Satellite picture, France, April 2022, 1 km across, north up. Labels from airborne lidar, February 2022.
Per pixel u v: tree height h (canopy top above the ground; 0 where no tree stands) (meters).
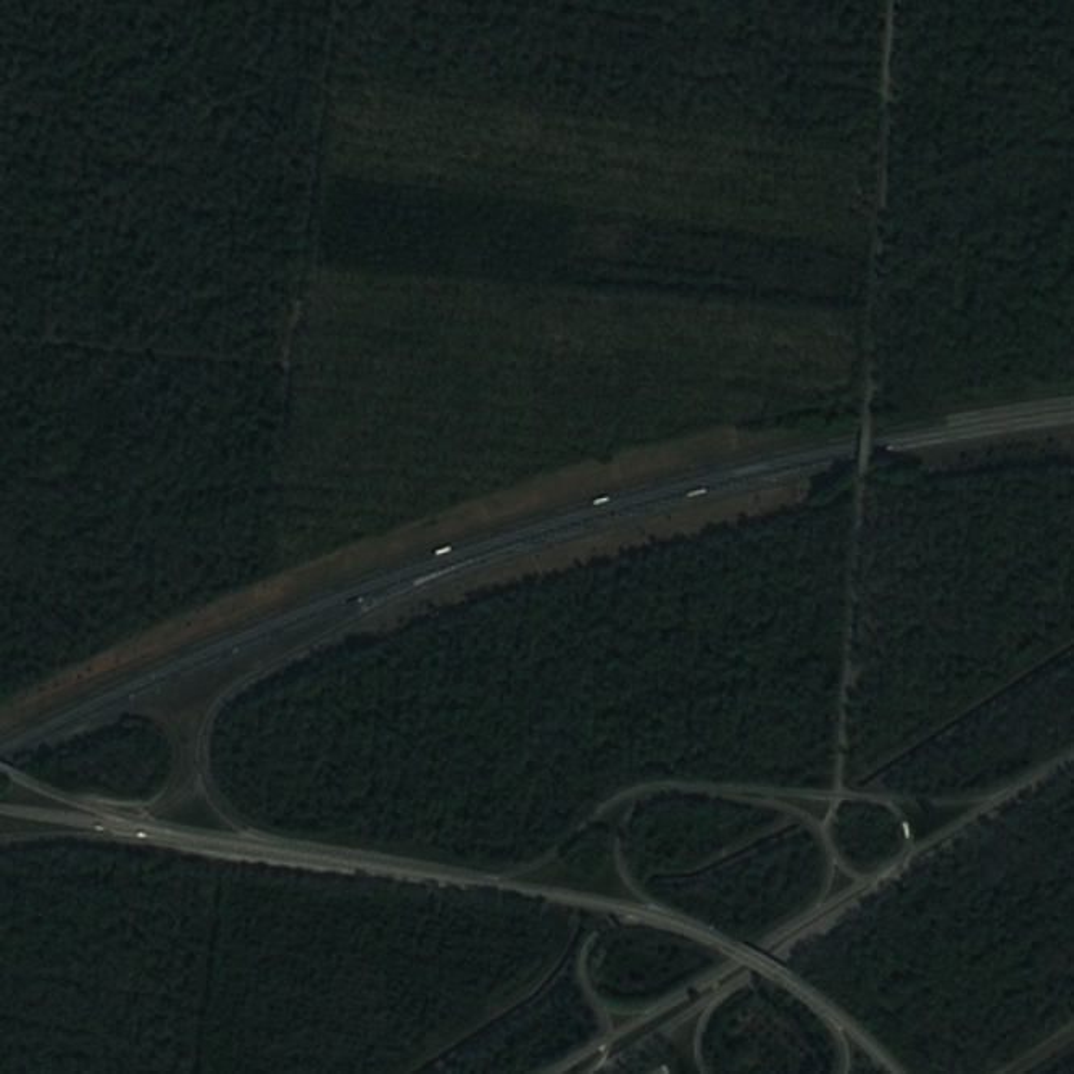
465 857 15
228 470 19
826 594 18
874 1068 9
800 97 12
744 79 15
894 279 17
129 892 14
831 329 0
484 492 10
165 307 18
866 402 0
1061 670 14
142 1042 15
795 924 0
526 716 17
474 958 6
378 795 15
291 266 15
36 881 17
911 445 0
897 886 10
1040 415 0
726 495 0
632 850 17
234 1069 8
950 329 16
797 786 7
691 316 0
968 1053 13
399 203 16
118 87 19
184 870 13
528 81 14
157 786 7
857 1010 11
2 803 0
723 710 19
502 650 18
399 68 12
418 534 0
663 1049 15
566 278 11
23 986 18
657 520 0
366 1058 9
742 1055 15
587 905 0
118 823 0
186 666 0
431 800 17
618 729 10
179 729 0
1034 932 18
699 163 0
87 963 13
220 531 17
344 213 13
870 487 17
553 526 0
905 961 16
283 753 16
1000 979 18
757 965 0
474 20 14
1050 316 18
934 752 8
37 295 19
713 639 19
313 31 18
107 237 16
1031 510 17
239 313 18
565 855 14
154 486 18
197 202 17
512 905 13
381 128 0
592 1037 11
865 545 17
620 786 16
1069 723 15
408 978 13
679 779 12
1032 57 17
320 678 18
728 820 13
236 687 0
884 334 18
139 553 16
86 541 15
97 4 17
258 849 0
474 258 6
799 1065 0
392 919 9
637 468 0
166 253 17
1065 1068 14
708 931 0
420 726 17
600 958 13
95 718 0
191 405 17
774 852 14
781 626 18
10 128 17
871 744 13
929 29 16
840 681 15
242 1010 7
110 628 16
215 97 19
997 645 15
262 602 0
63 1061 19
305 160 16
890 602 16
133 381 16
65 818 0
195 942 15
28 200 15
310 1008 7
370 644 9
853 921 18
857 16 16
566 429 0
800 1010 13
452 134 0
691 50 17
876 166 10
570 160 0
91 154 17
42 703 0
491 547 0
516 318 0
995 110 17
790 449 0
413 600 0
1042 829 18
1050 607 15
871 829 12
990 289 17
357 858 0
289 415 12
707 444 0
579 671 19
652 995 9
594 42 11
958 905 13
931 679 16
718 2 21
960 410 0
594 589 16
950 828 0
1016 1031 7
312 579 0
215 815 0
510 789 17
